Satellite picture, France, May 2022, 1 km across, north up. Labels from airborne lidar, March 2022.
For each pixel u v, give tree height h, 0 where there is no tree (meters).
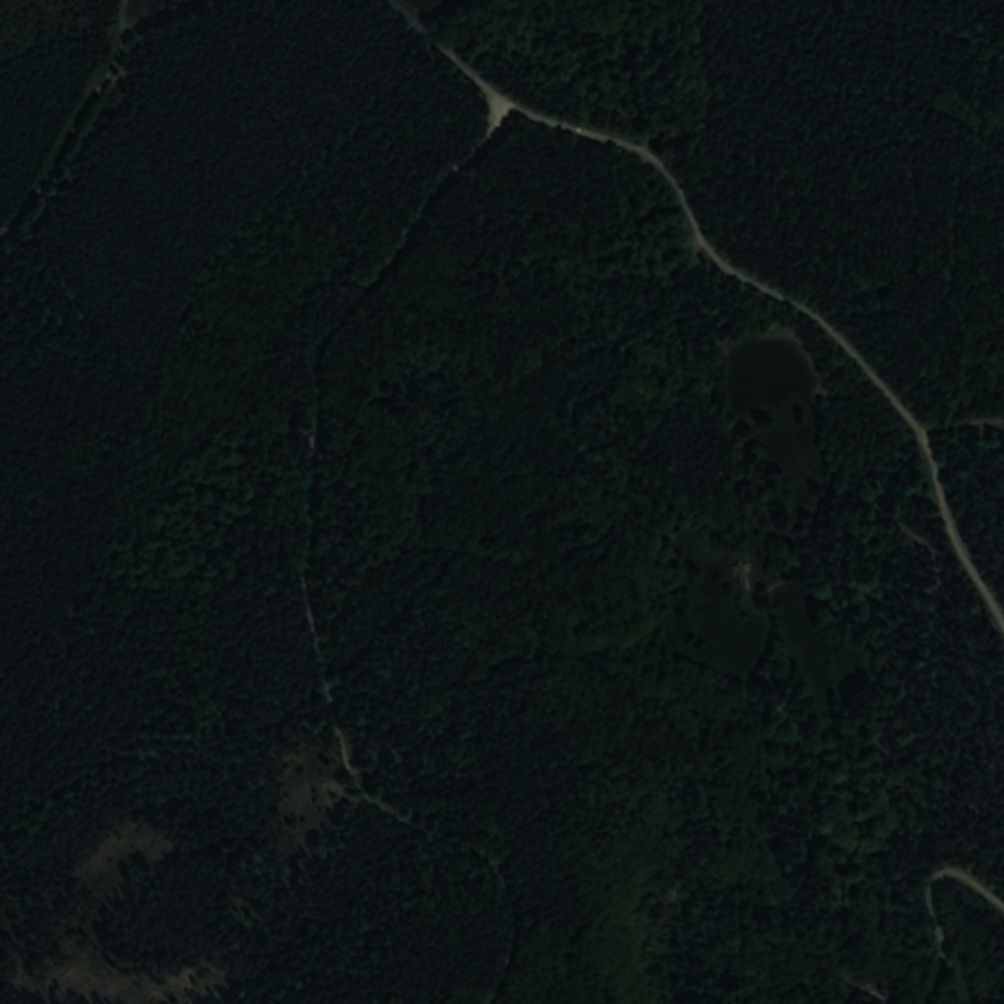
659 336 19
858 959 13
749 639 0
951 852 13
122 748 23
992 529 25
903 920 20
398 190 24
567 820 24
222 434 13
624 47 11
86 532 19
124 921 22
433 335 20
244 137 23
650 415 24
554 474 17
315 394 16
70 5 7
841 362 18
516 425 14
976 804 31
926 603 33
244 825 28
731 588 12
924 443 0
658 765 26
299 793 0
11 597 21
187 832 28
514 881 24
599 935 23
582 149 20
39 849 25
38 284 23
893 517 13
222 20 23
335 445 24
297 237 15
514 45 23
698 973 20
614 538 25
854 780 29
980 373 18
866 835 33
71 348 20
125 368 16
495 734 21
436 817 27
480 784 23
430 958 23
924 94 19
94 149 17
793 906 28
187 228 20
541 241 19
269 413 19
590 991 16
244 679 24
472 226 24
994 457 10
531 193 20
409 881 28
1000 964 25
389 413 27
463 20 23
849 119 24
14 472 17
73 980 0
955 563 26
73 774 26
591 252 15
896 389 24
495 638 22
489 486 19
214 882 24
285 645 19
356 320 20
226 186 22
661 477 26
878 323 22
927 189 20
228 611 26
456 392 19
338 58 22
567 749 22
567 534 22
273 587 21
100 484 20
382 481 22
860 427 19
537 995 13
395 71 24
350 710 32
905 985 19
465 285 20
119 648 22
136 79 18
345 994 24
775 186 26
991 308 19
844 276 24
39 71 12
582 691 23
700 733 8
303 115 23
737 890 31
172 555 22
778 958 22
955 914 21
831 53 23
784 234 28
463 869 21
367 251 25
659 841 31
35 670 26
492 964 25
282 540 27
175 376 13
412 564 13
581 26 24
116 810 27
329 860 28
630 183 18
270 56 23
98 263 20
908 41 24
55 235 21
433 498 13
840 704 8
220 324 15
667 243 32
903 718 30
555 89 24
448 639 25
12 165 12
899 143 20
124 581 20
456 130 18
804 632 0
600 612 19
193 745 27
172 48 22
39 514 19
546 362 17
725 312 28
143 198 21
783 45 24
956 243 22
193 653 23
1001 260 20
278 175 21
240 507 25
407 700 28
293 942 26
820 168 25
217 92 22
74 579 21
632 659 21
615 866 26
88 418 22
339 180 20
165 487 14
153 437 15
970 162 17
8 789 24
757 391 0
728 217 26
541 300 20
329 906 25
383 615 13
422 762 21
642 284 15
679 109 26
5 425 19
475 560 22
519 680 26
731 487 15
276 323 14
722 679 13
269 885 25
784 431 0
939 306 20
